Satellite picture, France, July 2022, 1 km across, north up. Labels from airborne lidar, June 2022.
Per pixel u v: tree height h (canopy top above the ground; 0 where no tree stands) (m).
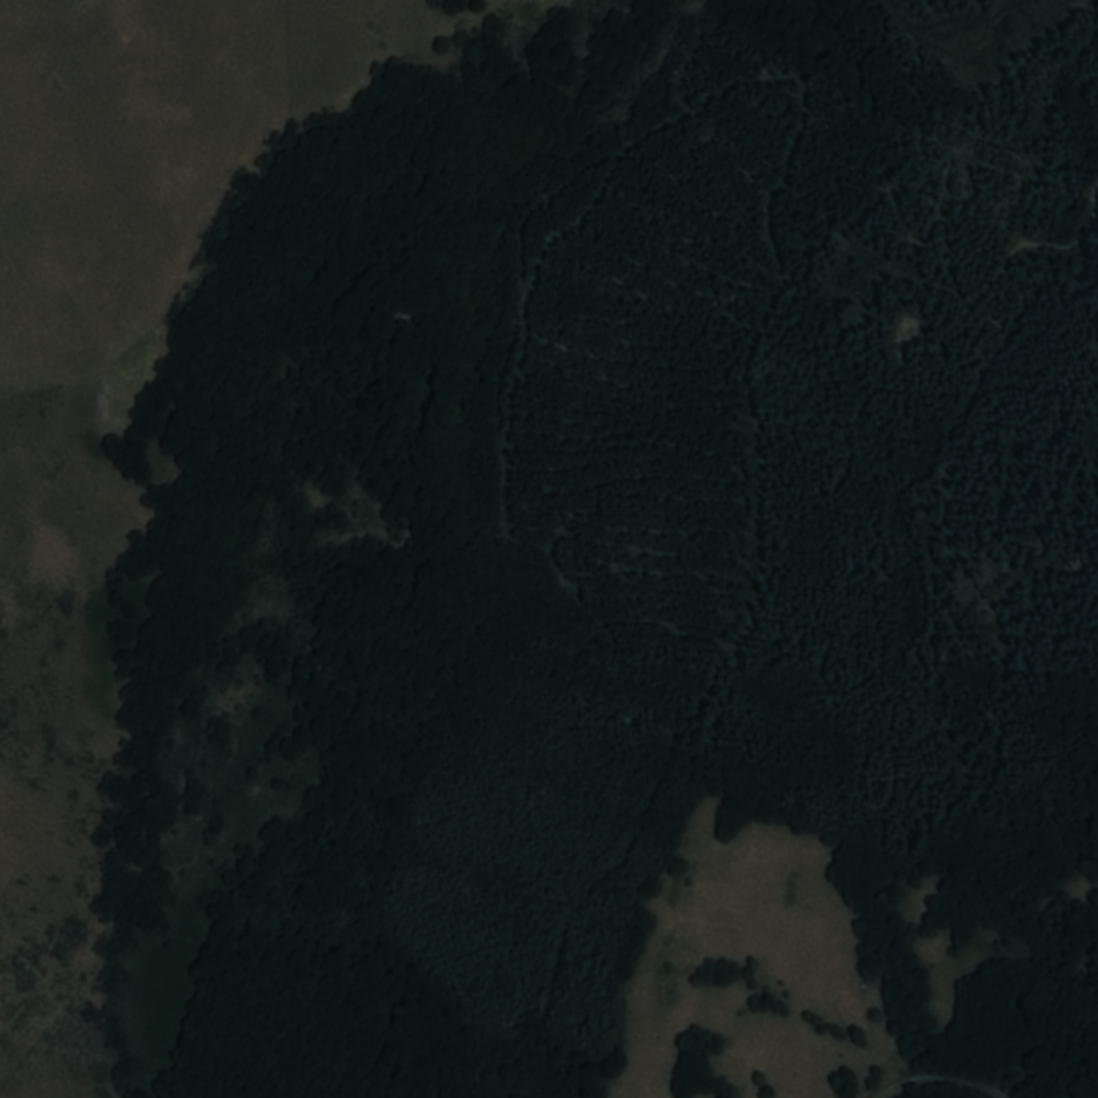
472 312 21
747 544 19
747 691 22
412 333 24
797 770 21
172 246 0
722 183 19
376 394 20
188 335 15
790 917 0
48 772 0
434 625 20
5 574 0
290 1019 23
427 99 14
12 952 0
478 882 21
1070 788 17
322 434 10
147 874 17
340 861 21
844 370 21
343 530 6
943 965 0
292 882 7
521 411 23
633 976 15
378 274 20
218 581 20
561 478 17
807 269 15
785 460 22
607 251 20
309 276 20
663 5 14
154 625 14
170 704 15
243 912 9
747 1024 0
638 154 25
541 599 19
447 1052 25
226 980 27
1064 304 17
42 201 0
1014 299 22
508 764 19
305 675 11
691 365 19
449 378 18
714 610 20
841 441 28
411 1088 21
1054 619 25
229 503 20
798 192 20
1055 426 20
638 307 24
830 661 22
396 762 18
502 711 23
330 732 16
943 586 23
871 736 24
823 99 21
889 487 26
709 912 0
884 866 14
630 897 21
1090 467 22
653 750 21
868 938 18
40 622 0
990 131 27
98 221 0
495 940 27
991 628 0
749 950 0
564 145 23
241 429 17
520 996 29
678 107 19
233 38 0
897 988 21
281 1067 24
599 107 15
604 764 22
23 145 0
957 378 20
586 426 18
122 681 9
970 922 13
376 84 10
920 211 25
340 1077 18
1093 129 15
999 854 15
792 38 18
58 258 0
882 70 18
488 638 21
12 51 0
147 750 15
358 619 15
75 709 0
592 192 20
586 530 24
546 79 16
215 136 0
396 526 10
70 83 0
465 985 27
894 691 20
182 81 0
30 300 0
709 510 24
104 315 0
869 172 13
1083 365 20
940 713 16
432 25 0
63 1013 0
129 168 0
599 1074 22
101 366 0
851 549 17
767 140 19
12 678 0
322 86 0
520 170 15
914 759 22
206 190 0
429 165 21
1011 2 0
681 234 23
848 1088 20
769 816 16
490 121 19
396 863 18
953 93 16
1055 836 16
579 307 23
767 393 18
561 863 28
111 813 8
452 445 20
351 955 17
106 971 6
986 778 19
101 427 0
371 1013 19
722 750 17
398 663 18
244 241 23
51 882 0
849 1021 0
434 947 27
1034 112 29
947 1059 14
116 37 0
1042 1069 20
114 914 10
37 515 0
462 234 19
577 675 23
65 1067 0
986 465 26
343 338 23
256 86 0
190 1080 18
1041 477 21
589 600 21
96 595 0
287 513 8
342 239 21
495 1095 21
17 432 0
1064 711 16
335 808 16
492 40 11
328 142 15
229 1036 21
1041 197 22
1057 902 8
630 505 22
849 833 23
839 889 11
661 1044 0
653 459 21
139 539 11
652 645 17
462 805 25
